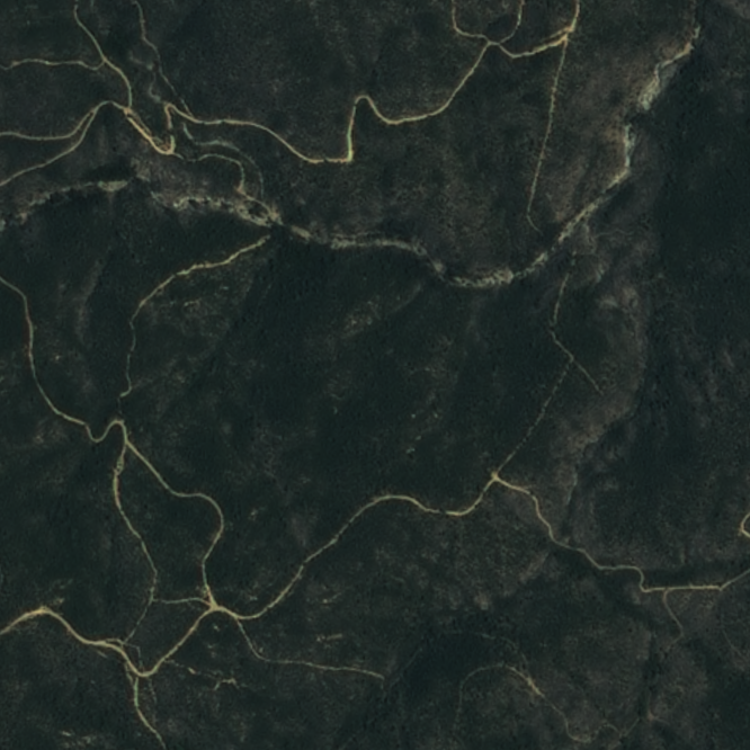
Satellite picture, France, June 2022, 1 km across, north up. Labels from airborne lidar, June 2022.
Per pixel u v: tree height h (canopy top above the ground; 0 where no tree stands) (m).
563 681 0
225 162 6
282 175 8
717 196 7
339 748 8
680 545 0
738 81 8
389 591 6
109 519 9
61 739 6
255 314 9
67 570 8
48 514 8
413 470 7
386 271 7
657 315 7
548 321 6
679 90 8
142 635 0
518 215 6
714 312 5
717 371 7
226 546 8
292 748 7
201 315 0
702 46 6
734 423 6
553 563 0
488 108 0
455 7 6
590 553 0
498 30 7
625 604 8
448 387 0
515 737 8
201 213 0
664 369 9
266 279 9
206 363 7
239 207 0
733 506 0
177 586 6
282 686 0
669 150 6
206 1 10
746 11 0
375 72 7
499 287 0
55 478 6
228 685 6
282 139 0
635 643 0
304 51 7
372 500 6
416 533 7
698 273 6
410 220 7
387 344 8
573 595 6
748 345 0
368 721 8
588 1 6
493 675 6
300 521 0
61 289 0
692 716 0
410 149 7
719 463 6
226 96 7
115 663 6
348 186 7
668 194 6
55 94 0
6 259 8
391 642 8
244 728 0
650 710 0
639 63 0
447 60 7
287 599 6
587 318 9
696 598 0
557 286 0
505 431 9
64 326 6
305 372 8
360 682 8
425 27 7
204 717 8
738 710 5
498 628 8
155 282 6
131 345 6
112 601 7
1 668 6
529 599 6
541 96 6
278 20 6
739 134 6
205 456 5
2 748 8
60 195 15
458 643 6
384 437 6
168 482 10
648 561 0
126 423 7
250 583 7
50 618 6
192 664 0
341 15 6
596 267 0
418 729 6
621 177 0
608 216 8
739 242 6
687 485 6
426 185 7
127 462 8
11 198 6
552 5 8
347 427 7
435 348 7
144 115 6
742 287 6
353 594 0
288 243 10
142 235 6
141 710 6
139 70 7
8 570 6
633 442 0
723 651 7
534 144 8
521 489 0
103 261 10
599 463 0
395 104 6
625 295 0
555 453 0
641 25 10
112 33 8
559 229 7
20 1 6
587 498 0
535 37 6
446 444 6
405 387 5
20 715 8
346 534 6
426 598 9
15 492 6
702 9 7
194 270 5
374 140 0
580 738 0
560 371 6
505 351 9
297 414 6
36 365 7
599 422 0
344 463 6
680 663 0
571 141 7
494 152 7
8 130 8
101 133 0
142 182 15
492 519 7
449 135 0
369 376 10
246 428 9
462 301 8
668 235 9
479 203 6
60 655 7
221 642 7
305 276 10
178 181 0
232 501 6
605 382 7
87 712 7
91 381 0
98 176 7
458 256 8
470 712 7
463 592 0
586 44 6
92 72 6
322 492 0
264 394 6
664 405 10
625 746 9
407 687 8
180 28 7
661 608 0
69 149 0
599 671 0
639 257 0
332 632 6
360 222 0
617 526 7
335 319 6
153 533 6
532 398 9
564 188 0
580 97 0
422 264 11
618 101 6
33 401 9
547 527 0
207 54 9
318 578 7
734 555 0
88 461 6
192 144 9
